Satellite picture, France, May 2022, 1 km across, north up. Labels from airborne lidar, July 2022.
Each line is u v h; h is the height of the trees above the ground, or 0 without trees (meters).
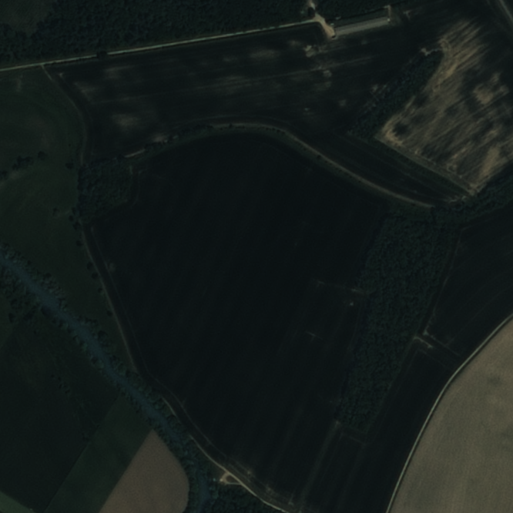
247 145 0
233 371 0
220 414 0
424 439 0
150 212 0
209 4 27
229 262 0
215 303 0
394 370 20
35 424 0
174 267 0
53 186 0
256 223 0
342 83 0
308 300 0
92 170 18
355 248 0
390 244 20
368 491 0
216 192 0
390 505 0
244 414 0
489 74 0
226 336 0
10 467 0
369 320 19
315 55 0
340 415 18
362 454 0
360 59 0
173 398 0
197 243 0
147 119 0
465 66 0
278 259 0
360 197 0
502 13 0
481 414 0
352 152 0
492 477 0
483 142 0
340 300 0
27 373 0
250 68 0
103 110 0
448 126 0
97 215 25
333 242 0
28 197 0
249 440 0
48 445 0
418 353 0
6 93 0
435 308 0
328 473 0
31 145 0
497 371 0
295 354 0
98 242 0
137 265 0
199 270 0
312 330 0
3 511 0
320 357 0
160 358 0
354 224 0
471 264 0
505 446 0
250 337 0
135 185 0
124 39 9
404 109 9
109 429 0
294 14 17
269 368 0
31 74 0
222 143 0
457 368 0
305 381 0
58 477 0
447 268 0
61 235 0
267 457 0
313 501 0
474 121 0
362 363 26
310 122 0
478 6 0
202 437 0
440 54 10
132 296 0
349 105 0
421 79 17
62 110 0
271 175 0
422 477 0
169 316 0
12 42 26
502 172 0
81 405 0
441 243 22
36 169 0
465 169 0
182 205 0
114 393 0
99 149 0
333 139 0
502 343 0
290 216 0
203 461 18
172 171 0
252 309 0
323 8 18
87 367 0
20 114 0
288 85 0
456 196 0
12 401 0
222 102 0
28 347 0
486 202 16
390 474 0
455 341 0
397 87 17
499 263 0
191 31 19
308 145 0
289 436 0
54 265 0
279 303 0
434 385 0
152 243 0
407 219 14
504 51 0
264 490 0
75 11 22
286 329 0
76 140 0
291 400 0
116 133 0
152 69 0
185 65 0
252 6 22
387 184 0
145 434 0
